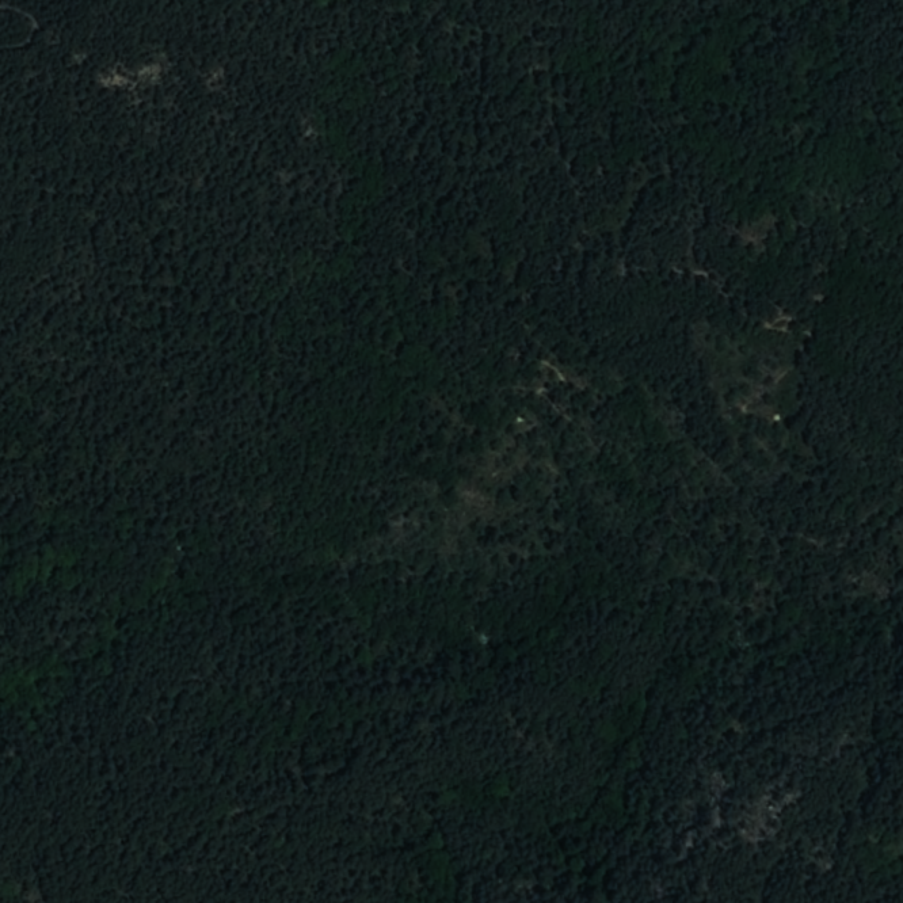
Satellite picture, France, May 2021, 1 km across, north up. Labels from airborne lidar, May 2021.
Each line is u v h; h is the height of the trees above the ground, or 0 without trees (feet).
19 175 93
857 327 71
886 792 62
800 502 74
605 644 81
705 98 54
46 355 77
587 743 96
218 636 84
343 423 58
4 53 58
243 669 68
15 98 84
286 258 41
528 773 73
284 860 88
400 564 62
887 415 56
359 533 51
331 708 76
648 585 96
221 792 89
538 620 70
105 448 99
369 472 50
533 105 91
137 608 95
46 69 59
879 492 87
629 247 60
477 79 58
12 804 97
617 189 66
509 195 73
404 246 80
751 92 82
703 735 91
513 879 104
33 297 65
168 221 77
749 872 78
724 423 92
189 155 55
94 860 71
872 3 58
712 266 65
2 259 87
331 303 55
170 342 64
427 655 22
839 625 71
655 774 96
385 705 95
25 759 103
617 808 105
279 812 76
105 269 59
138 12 93
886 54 85
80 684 104
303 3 62
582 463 63
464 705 54
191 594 106
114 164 79
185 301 76
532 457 65
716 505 57
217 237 75
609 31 62
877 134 76
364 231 57
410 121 86
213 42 73
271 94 56
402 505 95
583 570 83
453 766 97
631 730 105
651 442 60
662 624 45
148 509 79
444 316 52
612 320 73
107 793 83
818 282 84
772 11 87
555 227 68
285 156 68
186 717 77
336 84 49
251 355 54
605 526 65
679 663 109
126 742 83
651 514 45
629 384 51
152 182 71
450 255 59
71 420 97
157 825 106
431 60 55
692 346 73
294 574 65
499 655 89
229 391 64
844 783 76
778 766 76
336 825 94
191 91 52
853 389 62
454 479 68
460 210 87
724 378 49
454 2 84
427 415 64
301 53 67
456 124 29
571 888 115
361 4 72
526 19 75
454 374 57
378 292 91
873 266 56
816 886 71
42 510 97
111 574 97
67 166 88
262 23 74
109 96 53
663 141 82
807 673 93
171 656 79
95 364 19
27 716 58
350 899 69
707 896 77
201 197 63
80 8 76
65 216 107
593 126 81
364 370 84
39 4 65
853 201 57
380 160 18
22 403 65
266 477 65
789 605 87
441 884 96
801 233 57
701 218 49
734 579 56
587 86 70
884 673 72
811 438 79
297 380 39
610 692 92
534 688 76
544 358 46
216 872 68
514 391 55
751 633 80
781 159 67
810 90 51
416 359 74
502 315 62
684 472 26
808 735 80
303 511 25
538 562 67
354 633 46
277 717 59
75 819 97
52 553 118
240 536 75
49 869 101
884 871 77
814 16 50
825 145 84
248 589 70
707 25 74
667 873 103
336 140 55
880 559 65
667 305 82
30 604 68
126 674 90
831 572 50
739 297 50
